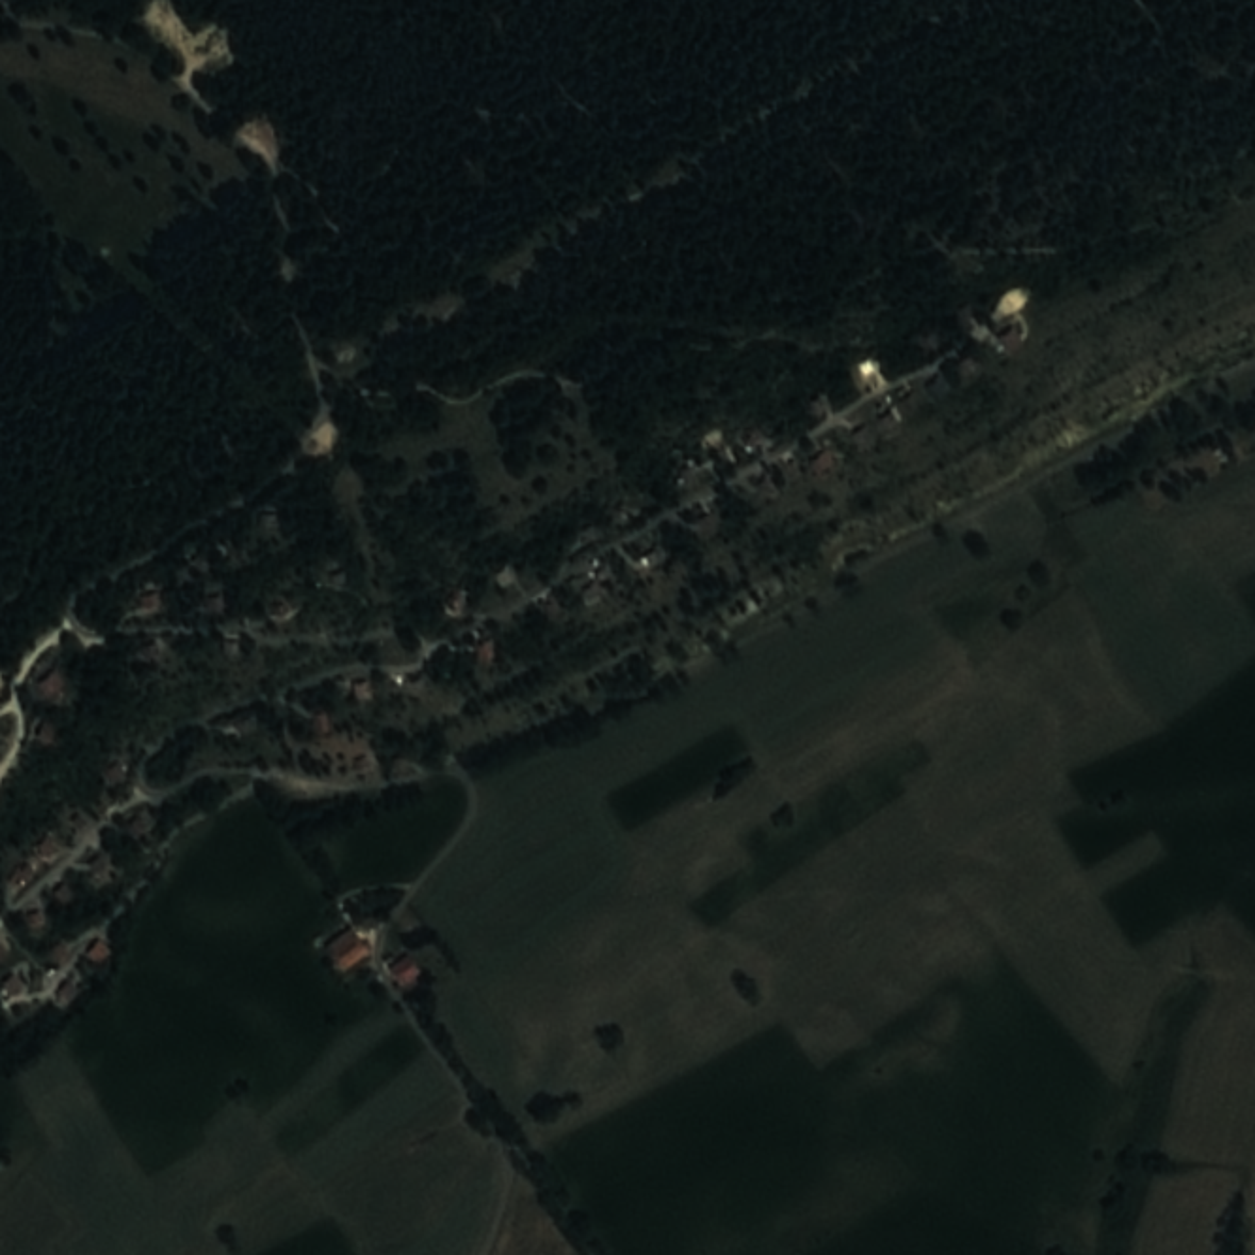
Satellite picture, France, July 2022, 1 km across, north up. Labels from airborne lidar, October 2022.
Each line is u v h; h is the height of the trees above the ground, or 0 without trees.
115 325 32
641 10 18
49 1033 17
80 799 6
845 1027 0
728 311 14
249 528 9
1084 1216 0
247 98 14
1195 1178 0
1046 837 0
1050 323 0
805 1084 0
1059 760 0
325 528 14
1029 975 0
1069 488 0
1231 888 0
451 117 9
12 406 17
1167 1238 0
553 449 9
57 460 20
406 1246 0
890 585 0
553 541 12
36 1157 0
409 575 9
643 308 16
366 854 0
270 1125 0
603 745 0
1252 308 0
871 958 0
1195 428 14
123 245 0
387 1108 0
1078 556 0
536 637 12
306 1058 0
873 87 12
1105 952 0
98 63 0
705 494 0
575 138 13
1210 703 0
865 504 13
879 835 0
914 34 16
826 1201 0
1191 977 0
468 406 0
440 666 12
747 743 0
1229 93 18
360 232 13
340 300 20
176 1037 0
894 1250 0
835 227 11
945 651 0
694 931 0
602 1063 0
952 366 10
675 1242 0
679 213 21
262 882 0
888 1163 0
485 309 15
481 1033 0
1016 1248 0
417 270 14
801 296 8
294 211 13
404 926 0
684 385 10
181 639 12
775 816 6
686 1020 0
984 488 0
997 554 0
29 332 21
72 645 7
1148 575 0
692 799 0
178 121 0
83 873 6
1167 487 15
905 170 10
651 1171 0
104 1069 0
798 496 0
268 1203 0
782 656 0
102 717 7
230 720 8
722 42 12
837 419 0
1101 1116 0
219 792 13
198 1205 0
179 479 13
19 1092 0
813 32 17
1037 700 0
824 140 18
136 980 0
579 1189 0
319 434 0
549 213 12
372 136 13
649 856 0
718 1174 0
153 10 0
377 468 6
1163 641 0
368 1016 0
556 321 17
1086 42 14
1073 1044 0
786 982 0
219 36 0
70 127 0
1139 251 6
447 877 0
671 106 18
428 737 11
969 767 0
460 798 0
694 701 0
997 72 17
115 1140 0
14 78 0
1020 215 17
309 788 0
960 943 0
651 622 11
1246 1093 0
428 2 15
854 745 0
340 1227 0
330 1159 0
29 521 19
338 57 21
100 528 11
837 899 0
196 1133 0
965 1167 0
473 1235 0
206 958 0
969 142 11
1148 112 7
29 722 7
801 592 0
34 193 23
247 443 11
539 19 15
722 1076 0
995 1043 0
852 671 0
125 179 0
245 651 14
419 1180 0
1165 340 0
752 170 16
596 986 0
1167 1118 0
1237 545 0
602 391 10
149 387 22
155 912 0
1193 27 11
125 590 6
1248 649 0
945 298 12
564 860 0
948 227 6
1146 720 0
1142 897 0
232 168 0
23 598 8
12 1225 0
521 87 21
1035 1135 0
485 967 0
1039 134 14
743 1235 0
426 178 16
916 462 0
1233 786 0
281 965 0
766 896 0
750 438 0
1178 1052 0
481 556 7
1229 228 0
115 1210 0
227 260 22
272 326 21
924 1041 0
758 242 14
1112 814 0
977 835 0
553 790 0
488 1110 18
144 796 0
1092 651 0
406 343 18
